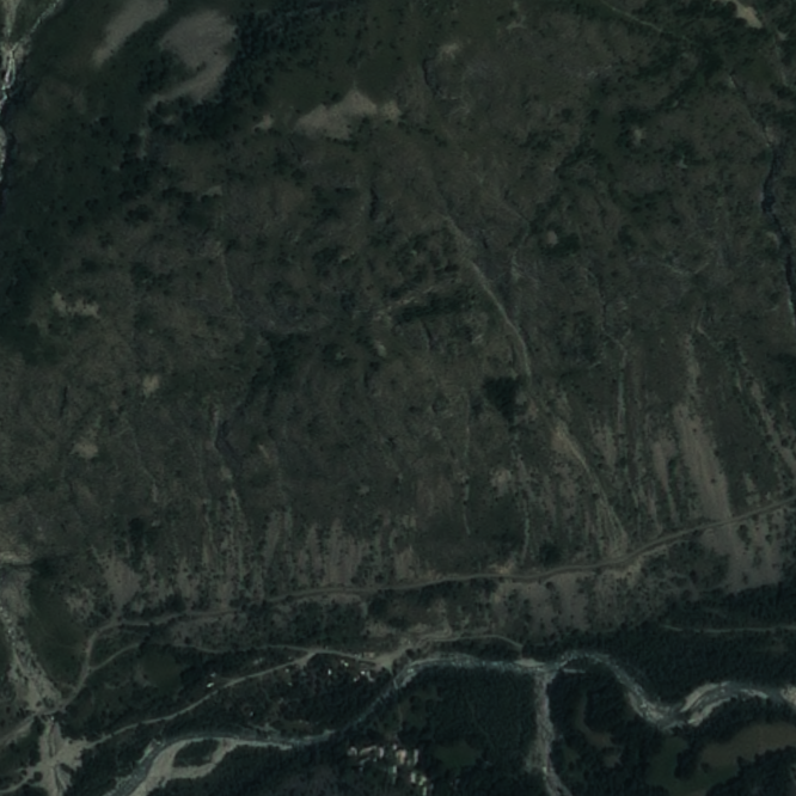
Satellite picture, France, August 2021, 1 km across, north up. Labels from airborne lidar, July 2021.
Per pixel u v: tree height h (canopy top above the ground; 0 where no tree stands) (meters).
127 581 0
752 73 0
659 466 0
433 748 22
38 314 0
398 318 7
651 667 10
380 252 0
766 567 0
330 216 6
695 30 7
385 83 0
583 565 0
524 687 7
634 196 7
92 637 0
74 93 0
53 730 0
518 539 7
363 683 14
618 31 0
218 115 13
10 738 0
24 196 0
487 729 12
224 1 0
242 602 7
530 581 0
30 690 0
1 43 0
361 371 0
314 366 0
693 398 7
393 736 0
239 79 6
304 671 6
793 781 7
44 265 0
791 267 16
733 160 7
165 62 8
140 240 0
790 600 16
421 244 7
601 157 11
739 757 0
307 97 0
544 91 0
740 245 0
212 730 5
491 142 0
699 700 0
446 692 14
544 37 6
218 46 0
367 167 0
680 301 6
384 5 0
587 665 6
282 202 0
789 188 7
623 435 7
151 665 0
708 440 0
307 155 0
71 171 9
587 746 16
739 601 14
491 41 0
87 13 0
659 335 0
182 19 0
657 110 6
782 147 6
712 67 6
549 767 0
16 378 0
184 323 0
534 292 0
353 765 11
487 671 12
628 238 7
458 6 7
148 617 9
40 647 0
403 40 6
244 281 0
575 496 0
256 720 10
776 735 0
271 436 11
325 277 7
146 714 8
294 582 9
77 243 0
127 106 0
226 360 6
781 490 0
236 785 9
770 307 18
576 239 9
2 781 9
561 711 18
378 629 0
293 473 0
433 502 0
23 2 0
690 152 7
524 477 0
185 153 0
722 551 0
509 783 17
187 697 9
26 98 7
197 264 0
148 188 9
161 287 6
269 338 14
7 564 0
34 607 0
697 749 16
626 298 20
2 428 6
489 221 9
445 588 14
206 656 15
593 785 15
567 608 0
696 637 8
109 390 0
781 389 9
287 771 19
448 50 0
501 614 0
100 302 0
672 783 0
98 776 7
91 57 0
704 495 0
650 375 0
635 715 0
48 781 0
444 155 0
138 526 16
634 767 21
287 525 0
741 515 0
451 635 0
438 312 9
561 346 16
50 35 0
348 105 0
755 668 10
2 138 0
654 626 19
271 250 0
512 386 7
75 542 0
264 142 0
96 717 9
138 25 0
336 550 0
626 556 0
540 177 0
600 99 0
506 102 0
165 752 0
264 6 0
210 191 0
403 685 0
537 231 7
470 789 16
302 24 6
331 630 13
